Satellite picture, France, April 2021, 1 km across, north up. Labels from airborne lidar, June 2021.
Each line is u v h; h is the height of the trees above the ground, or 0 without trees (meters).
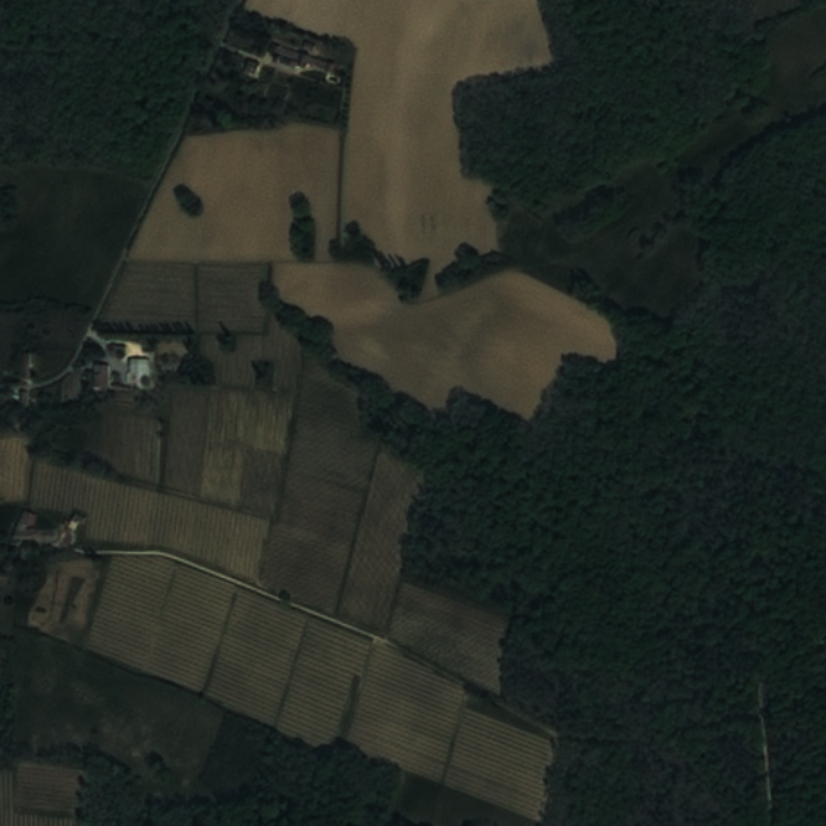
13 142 19
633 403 24
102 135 23
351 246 6
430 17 0
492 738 0
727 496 15
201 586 0
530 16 0
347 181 0
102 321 0
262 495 0
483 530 17
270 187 0
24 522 0
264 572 0
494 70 0
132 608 0
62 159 18
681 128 23
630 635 19
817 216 20
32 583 18
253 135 0
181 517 0
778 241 15
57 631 0
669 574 20
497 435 24
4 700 8
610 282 0
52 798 0
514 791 0
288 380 0
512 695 16
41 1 24
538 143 25
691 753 18
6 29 23
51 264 0
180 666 0
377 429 7
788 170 22
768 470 25
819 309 17
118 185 0
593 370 17
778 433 22
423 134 0
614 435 24
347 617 0
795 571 22
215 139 0
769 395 23
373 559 0
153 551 0
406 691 0
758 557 8
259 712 0
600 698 22
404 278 7
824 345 14
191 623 0
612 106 17
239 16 16
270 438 0
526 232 0
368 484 0
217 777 9
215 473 0
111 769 15
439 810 0
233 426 0
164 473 0
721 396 28
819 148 21
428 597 0
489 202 8
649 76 25
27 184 0
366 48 0
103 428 0
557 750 16
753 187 21
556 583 16
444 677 0
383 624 0
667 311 0
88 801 16
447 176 0
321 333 21
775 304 18
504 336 0
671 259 0
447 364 0
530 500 26
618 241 0
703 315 19
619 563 16
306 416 0
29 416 15
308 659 0
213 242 0
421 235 0
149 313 0
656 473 22
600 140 20
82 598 0
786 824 20
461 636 0
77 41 22
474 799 0
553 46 14
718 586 21
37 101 18
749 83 25
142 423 0
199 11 15
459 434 24
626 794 17
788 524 20
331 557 0
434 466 24
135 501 0
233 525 0
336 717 0
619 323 21
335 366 22
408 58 0
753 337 13
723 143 0
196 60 23
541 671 19
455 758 0
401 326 0
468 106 17
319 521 0
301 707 0
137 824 20
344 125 8
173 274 0
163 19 22
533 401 0
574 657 20
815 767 12
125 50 26
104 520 0
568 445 21
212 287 0
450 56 0
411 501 0
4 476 0
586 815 18
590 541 15
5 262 0
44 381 0
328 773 24
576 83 23
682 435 22
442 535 20
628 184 0
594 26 24
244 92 6
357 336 0
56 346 0
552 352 0
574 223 19
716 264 16
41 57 19
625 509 19
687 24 19
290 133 0
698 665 21
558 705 14
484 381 0
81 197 0
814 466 19
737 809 13
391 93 0
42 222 0
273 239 0
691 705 16
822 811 20
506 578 22
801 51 0
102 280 0
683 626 21
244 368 0
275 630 0
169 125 26
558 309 0
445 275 11
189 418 0
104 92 25
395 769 12
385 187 0
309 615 0
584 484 21
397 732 0
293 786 25
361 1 0
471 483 23
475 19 0
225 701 0
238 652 0
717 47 19
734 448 21
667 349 24
